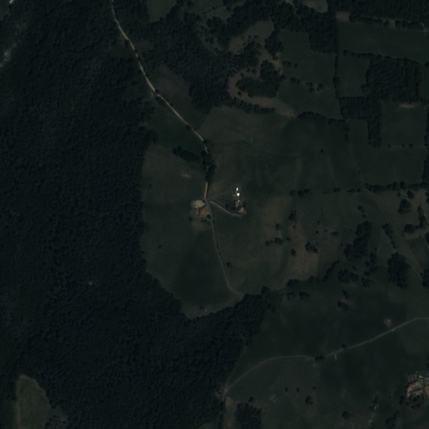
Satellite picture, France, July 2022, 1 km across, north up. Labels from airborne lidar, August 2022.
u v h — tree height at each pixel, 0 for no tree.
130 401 16
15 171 23
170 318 21
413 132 0
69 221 14
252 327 18
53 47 15
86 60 16
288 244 0
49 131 15
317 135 0
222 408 19
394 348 0
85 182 21
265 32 0
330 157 0
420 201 0
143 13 13
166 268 0
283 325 0
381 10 18
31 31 16
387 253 0
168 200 0
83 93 10
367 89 11
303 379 0
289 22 14
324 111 0
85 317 12
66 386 22
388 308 0
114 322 14
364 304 0
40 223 18
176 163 0
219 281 0
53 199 25
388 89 12
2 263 7
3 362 11
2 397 16
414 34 0
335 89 6
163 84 0
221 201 0
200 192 0
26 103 17
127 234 17
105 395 17
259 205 0
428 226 7
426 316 0
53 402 13
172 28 9
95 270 17
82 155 19
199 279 0
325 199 0
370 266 20
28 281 20
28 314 17
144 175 0
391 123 0
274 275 0
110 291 20
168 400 21
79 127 20
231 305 0
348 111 11
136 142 19
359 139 0
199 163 7
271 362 0
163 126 0
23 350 9
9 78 16
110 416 14
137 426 25
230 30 14
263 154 0
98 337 17
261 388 0
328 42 12
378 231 0
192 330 18
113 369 24
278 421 0
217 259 0
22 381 0
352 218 0
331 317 0
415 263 0
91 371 17
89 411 18
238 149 0
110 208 19
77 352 13
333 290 0
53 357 23
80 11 15
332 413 0
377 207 0
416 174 0
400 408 0
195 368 20
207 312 0
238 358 14
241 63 14
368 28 0
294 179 0
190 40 14
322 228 0
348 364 0
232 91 0
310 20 20
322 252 0
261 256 0
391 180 0
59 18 9
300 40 0
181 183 0
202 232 0
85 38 12
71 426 10
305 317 0
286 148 0
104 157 17
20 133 19
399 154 0
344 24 0
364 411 0
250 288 0
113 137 21
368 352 0
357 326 0
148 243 0
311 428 0
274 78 14
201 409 9
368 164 0
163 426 19
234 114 0
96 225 20
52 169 24
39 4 14
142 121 12
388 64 15
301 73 0
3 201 20
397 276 12
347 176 0
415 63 15
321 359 12
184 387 17
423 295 0
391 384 0
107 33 6
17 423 0
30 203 17
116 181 22
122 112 14
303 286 0
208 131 0
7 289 15
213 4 0
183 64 16
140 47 0
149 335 26
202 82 11
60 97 8
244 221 0
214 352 23
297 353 0
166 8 0
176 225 0
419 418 0
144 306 18
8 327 10
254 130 0
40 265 21
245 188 0
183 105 0
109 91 19
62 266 29
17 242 9
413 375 0
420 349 0
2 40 9
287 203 0
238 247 0
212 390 17
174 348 20
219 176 0
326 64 0
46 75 15
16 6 5
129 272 22
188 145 0
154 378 21
